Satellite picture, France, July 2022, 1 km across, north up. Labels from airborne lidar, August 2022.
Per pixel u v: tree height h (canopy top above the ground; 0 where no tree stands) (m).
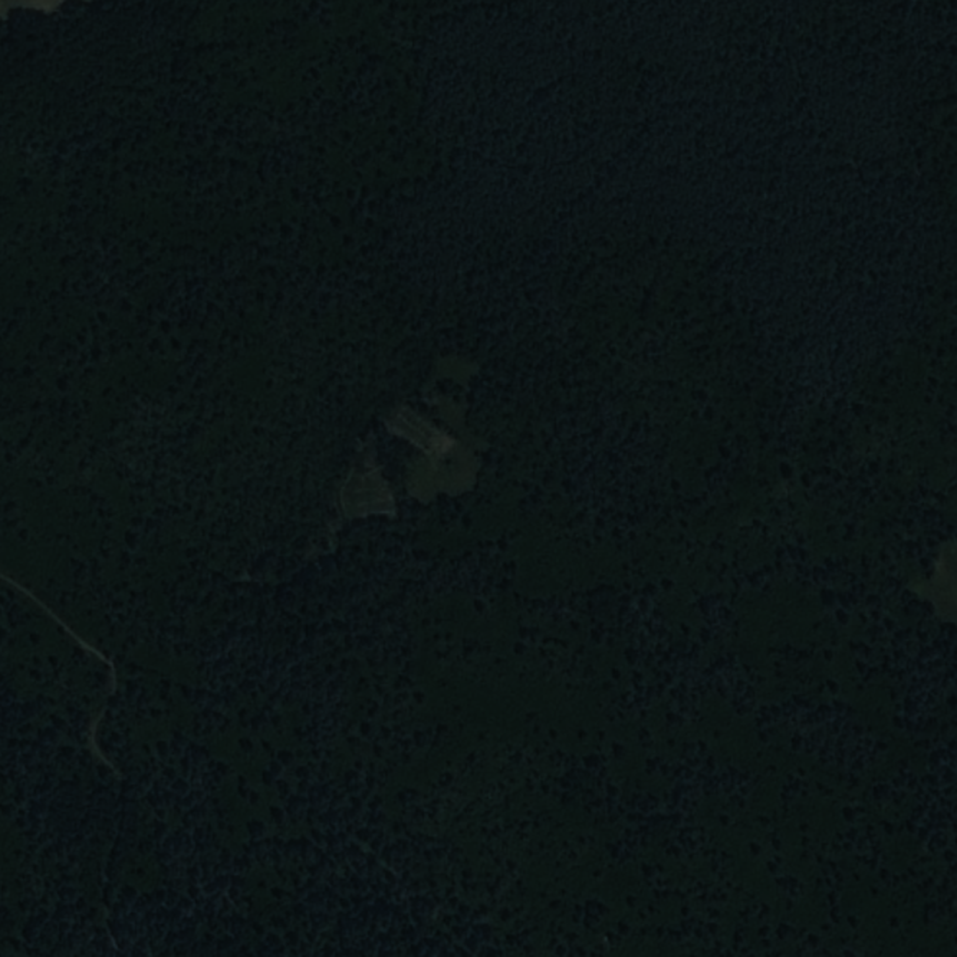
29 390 8
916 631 7
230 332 13
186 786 28
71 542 12
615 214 17
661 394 15
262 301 19
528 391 15
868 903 6
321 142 9
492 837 10
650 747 13
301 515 12
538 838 7
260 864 16
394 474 22
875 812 8
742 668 5
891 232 20
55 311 15
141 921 32
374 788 19
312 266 9
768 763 6
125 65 15
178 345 22
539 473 6
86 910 16
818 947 18
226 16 9
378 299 11
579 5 18
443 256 22
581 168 24
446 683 8
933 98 16
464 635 6
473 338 9
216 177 15
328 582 11
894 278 23
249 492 12
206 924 7
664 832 25
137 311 9
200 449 6
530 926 6
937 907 16
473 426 6
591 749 6
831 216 18
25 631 7
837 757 15
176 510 19
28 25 21
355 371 14
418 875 5
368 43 8
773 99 21
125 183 7
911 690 20
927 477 7
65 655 6
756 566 6
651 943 6
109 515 13
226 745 6
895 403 10
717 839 6
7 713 24
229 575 6
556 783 11
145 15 15
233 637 21
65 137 9
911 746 7
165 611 7
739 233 19
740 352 16
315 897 28
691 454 6
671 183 22
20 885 15
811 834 7
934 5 10
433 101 21
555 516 6
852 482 15
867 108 20
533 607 16
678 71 16
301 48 11
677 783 12
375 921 25
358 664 16
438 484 0
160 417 14
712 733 5
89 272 12
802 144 23
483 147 22
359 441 14
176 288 19
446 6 10
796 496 6
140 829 6
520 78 23
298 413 14
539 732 13
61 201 7
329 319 6
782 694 5
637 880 6
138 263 7
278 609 16
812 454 9
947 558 0
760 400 11
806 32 11
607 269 16
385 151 17
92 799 18
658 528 15
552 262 21
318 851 26
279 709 6
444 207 21
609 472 13
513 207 24
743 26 15
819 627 11
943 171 17
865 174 19
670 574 6
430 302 16
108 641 6
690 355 7
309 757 6
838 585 6
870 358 21
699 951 7
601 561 7
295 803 27
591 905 18
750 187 22
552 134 25
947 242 20
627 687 6
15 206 9
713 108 23
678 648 8
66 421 17
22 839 6
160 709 5
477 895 11
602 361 7
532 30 23
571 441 10
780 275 24
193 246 14
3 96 8
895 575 10
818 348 19
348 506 0
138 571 7
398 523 7
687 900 6
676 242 18
